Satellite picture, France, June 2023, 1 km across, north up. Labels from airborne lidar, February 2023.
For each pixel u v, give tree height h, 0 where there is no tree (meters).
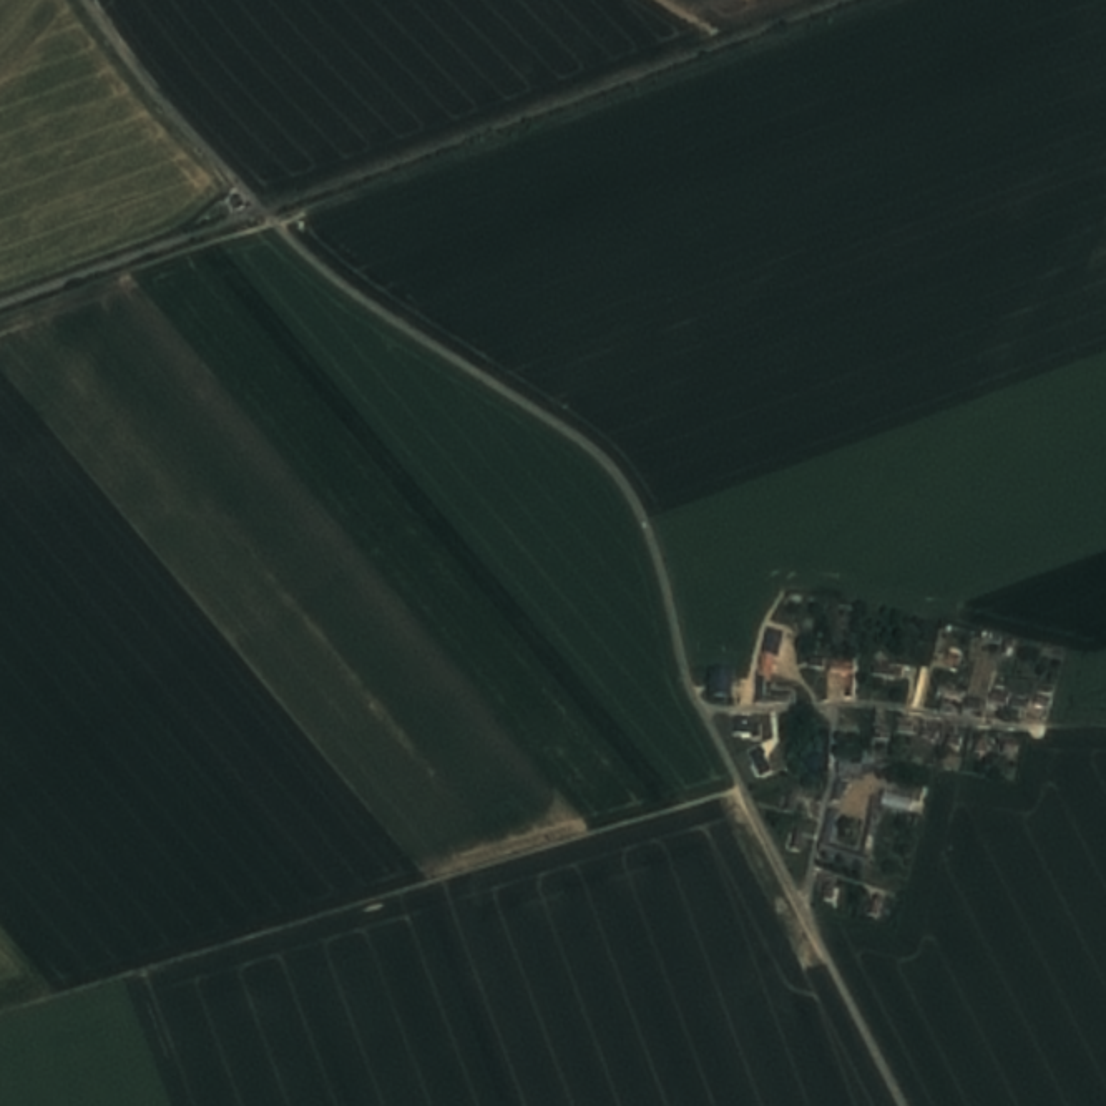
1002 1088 0
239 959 0
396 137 0
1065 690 0
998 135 0
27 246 0
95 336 0
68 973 0
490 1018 0
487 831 0
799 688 0
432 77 0
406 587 0
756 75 0
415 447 0
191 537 0
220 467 0
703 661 0
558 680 0
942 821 0
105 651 0
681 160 0
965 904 0
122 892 0
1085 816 0
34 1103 0
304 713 0
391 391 0
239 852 0
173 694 0
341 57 0
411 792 0
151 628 0
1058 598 0
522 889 0
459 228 0
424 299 0
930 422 0
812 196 0
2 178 0
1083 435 0
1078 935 0
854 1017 0
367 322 0
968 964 0
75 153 0
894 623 10
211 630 0
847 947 0
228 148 0
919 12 0
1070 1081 0
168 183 0
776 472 0
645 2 0
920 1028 0
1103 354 0
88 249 0
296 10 0
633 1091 0
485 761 0
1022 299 0
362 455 0
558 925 0
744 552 0
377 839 0
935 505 0
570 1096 0
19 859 0
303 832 0
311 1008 0
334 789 0
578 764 0
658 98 0
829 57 0
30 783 0
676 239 0
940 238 0
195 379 0
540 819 0
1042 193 0
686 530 0
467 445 0
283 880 0
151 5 0
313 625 0
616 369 0
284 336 0
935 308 0
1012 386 0
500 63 0
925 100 0
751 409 0
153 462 0
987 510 0
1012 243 0
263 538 0
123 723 0
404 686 0
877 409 0
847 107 0
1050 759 0
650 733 0
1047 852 0
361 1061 0
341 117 0
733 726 0
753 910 0
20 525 0
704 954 0
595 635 0
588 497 0
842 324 0
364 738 0
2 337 0
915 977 0
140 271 0
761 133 0
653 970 0
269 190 0
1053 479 0
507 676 0
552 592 0
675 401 0
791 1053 0
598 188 0
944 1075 0
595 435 0
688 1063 0
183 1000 0
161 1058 0
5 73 0
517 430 0
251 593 0
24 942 0
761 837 0
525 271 0
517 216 0
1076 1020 0
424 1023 0
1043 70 0
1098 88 0
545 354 0
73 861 0
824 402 0
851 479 0
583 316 0
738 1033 0
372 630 0
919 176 0
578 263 0
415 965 0
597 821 0
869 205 0
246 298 0
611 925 0
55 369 0
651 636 0
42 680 0
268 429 0
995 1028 0
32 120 0
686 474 0
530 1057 0
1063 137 0
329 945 0
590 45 0
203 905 0
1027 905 0
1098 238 0
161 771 0
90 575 0
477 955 0
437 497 0
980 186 0
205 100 0
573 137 0
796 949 0
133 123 0
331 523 0
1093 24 0
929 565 0
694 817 0
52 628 0
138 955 0
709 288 0
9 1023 0
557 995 0
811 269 0
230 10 0
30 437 0
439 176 0
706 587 0
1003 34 0
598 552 0
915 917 0
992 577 0
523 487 0
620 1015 0
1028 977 0
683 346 0
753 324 0
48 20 0
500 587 0
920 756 0
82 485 0
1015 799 0
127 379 0
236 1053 0
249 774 0
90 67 0
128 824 0
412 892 0
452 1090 0
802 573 0
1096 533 0
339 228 0
